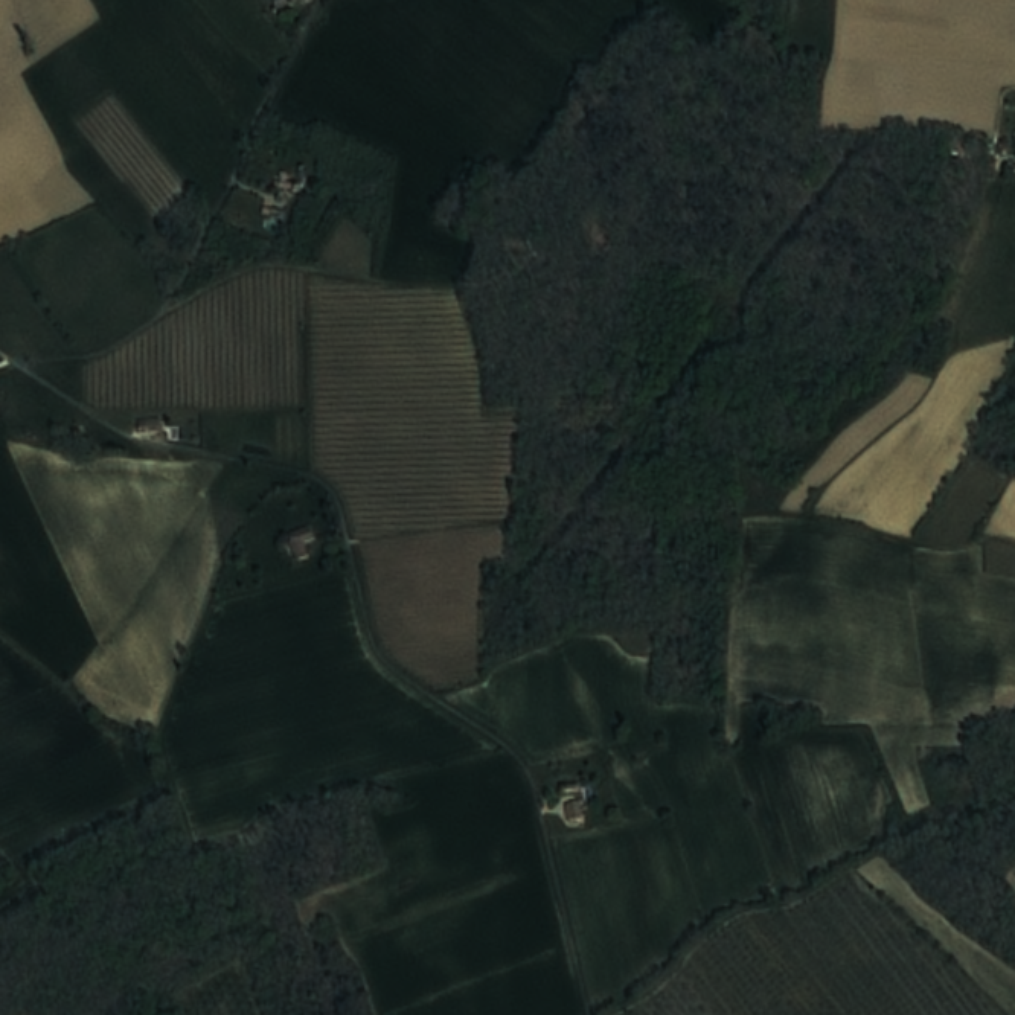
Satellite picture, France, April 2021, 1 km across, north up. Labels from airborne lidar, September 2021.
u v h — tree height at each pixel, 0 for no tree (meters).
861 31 0
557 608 19
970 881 17
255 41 0
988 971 0
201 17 0
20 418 0
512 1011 0
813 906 8
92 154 0
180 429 0
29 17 0
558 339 16
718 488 27
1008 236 0
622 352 26
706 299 18
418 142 0
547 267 16
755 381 24
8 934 20
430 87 0
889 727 0
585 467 22
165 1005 11
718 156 17
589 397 10
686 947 14
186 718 0
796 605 0
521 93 0
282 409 0
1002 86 0
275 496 8
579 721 0
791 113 17
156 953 21
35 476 0
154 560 0
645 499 21
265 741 0
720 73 17
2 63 0
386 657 0
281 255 8
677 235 22
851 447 0
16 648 0
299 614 0
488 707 0
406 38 0
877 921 9
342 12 0
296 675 0
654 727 0
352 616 0
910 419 0
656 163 17
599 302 19
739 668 0
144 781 0
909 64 0
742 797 0
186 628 0
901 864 11
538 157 18
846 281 16
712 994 6
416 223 0
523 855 0
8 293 0
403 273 0
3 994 17
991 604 0
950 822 19
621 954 0
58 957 22
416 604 0
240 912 19
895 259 17
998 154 13
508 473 0
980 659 0
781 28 19
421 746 0
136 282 0
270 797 0
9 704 0
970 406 0
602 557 11
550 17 0
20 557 0
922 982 8
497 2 0
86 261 0
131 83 0
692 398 17
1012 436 19
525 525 18
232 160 0
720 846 0
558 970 0
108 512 0
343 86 0
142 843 22
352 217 8
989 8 0
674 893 0
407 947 0
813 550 0
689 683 6
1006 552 0
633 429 6
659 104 19
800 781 0
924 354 8
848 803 0
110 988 17
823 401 21
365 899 0
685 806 0
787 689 0
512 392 16
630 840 0
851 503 0
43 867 21
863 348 22
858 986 8
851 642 0
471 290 17
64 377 0
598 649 0
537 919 0
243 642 0
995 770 17
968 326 0
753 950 7
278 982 12
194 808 0
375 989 0
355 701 0
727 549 16
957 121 0
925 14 0
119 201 0
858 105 0
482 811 0
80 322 0
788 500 0
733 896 0
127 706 0
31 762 0
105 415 0
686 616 8
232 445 0
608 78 11
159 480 0
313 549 7
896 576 0
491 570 10
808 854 0
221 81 0
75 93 0
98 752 0
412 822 0
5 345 0
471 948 0
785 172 19
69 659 0
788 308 17
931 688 0
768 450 22
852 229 16
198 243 14
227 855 18
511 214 24
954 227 22
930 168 19
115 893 21
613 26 0
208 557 0
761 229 16
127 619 0
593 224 12
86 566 0
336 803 14
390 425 0
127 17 0
